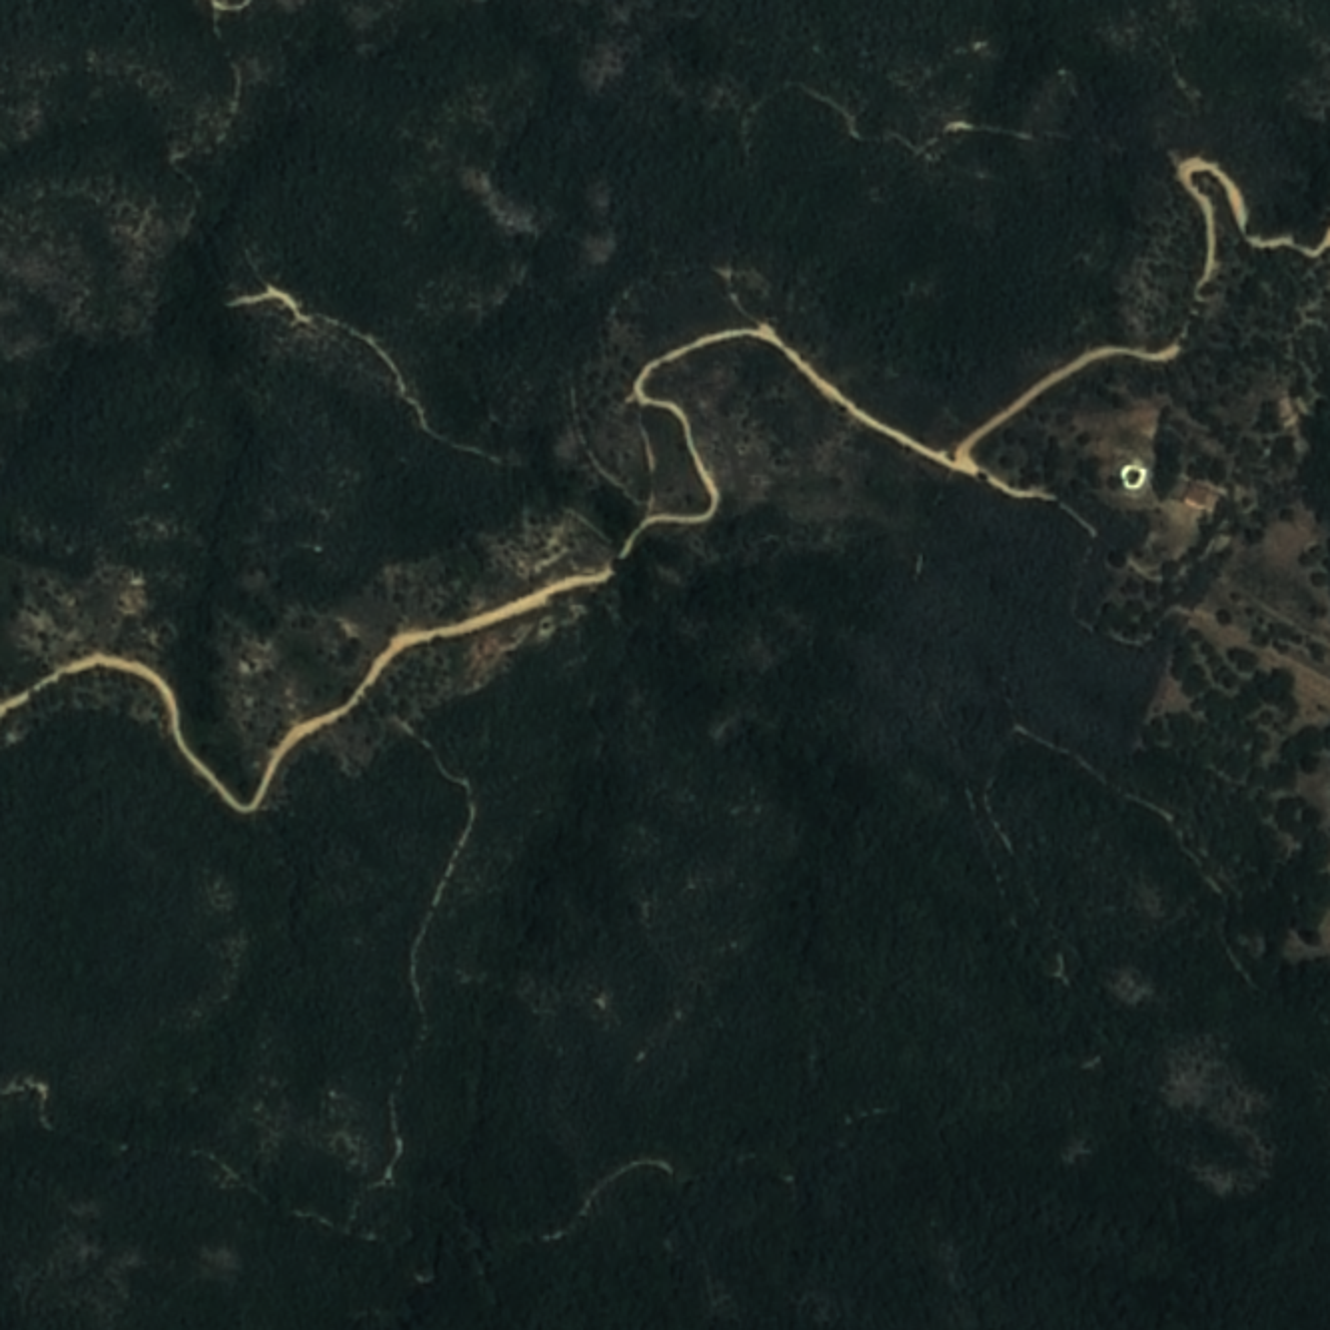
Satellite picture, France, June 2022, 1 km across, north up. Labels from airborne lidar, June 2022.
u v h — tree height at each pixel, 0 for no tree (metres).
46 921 10
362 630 0
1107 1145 7
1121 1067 7
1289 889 17
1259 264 7
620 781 8
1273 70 7
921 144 10
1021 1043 10
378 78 8
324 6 7
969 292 6
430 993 6
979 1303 10
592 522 0
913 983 8
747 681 10
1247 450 9
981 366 6
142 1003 9
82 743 9
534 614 0
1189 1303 8
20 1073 7
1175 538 0
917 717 13
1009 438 9
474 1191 18
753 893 9
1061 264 8
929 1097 11
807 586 9
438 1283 9
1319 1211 11
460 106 7
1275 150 7
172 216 8
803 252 5
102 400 7
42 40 8
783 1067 12
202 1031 7
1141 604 12
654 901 6
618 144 7
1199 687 11
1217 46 10
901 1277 6
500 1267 10
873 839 14
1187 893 6
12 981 8
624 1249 7
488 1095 11
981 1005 11
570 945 8
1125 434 0
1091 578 10
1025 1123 9
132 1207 6
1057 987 12
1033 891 8
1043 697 10
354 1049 7
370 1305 7
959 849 7
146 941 7
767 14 9
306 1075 7
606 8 6
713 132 6
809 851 6
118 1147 11
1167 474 13
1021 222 9
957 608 7
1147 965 7
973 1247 7
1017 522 9
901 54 9
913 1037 9
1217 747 11
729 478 0
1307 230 9
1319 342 8
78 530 9
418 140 7
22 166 7
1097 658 12
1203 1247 8
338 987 6
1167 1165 6
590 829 15
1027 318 8
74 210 7
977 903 11
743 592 15
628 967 7
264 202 7
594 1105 6
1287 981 14
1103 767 10
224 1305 6
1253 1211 7
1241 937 7
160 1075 6
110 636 0
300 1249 6
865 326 6
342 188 6
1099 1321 9
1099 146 12
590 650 10
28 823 9
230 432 6
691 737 10
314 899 14
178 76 7
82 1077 7
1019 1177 11
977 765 8
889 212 7
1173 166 8
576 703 11
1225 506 13
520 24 13
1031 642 10
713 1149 9
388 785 9
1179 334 8
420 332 7
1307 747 13
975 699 9
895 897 10
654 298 7
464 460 8
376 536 8
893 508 6
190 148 6
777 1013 6
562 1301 11
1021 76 7
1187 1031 6
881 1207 8
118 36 6
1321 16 7
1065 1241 14
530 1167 6
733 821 8
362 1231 12
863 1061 8
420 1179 11
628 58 6
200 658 9
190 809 8
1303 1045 8
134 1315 7
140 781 6
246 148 8
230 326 7
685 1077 7
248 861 10
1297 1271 11
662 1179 9
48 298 6
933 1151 10
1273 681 16
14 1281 14
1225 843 10
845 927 6
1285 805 7
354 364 6
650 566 9
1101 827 9
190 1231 6
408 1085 7
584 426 8
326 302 6
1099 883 8
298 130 15
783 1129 11
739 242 8
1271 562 0
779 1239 11
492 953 9
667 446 0
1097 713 10
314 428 10
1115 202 7
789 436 6
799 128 6
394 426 6
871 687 10
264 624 7
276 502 7
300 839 7
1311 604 0
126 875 8
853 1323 8
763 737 15
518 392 6
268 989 8
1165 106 5
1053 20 7
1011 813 10
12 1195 9
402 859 8
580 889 8
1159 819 7
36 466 7
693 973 8
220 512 6
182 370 8
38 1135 7
